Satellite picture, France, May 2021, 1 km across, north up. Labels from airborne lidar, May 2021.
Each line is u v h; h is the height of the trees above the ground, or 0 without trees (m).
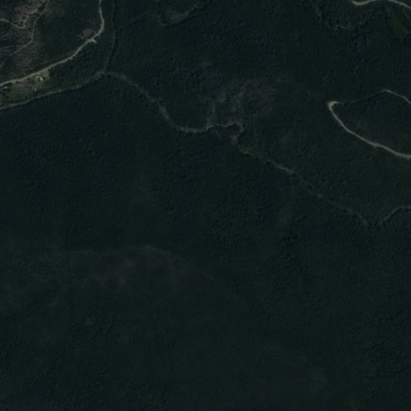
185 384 6
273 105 7
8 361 12
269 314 10
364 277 11
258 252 8
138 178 6
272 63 8
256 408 6
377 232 18
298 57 15
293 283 11
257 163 19
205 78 8
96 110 16
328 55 15
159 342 9
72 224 18
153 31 8
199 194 8
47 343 7
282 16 13
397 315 12
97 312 9
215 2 19
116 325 11
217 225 12
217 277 6
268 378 6
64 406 13
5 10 6
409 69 12
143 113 14
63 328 8
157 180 10
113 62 11
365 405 7
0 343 13
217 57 8
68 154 12
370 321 10
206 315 6
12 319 7
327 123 8
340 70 16
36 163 11
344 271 13
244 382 7
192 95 10
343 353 6
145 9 10
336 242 10
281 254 13
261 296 7
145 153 8
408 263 7
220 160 9
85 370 12
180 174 14
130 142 10
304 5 21
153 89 19
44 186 14
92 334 15
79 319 7
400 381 9
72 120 10
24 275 6
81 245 8
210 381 7
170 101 11
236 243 10
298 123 7
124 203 6
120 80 15
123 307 8
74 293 7
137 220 8
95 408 12
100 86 10
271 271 10
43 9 7
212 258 9
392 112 10
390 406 8
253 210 9
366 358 8
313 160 8
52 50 7
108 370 9
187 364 6
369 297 6
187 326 6
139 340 8
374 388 6
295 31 18
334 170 8
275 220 8
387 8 19
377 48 12
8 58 6
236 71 5
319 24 17
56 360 14
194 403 5
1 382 9
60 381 11
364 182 12
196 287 6
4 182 8
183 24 21
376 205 10
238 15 13
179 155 15
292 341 10
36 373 9
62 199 8
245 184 8
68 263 6
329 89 15
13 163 9
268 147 15
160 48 10
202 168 9
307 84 8
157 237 9
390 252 17
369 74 16
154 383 7
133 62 9
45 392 12
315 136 7
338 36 19
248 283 9
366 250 13
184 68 22
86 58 14
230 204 8
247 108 11
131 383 6
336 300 8
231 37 15
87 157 14
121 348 7
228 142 18
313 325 8
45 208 9
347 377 8
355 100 11
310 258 7
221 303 6
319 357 8
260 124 15
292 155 11
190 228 8
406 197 8
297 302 7
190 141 15
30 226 7
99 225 11
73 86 9
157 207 6
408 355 7
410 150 6
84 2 8
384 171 7
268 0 7
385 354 14
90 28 8
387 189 9
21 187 9
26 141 10
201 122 14
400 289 10
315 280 8
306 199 22
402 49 21
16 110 13
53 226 6
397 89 14
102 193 9
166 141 15
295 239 17
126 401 7
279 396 6
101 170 9
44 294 6
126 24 7
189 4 12
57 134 15
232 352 7
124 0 9
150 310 6
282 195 7
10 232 5
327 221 9
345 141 6
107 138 13
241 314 5
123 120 10
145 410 15
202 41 10
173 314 7
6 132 11
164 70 12
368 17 24
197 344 6
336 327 7
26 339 10
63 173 9
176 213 8
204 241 8
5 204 7
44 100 19
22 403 10
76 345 11
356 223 15
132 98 16
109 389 10
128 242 7
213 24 14
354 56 19
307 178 19
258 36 7
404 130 6
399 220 14
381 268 9
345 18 10
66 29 5
